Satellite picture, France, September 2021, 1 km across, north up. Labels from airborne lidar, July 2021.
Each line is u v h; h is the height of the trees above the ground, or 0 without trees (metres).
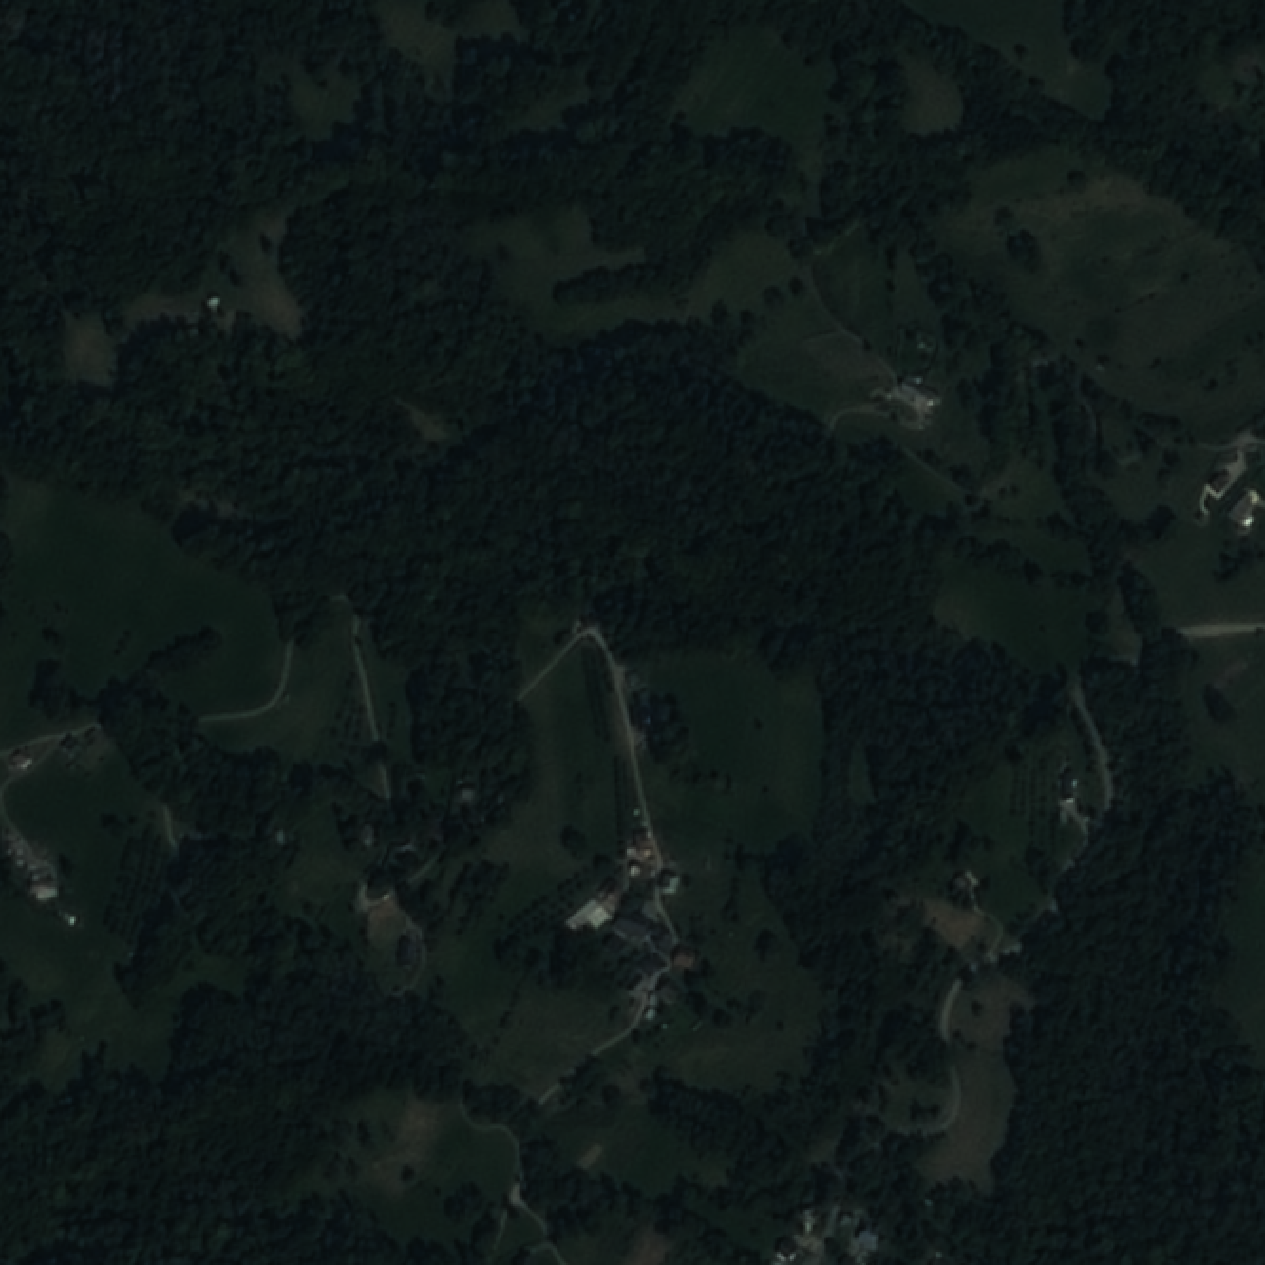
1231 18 21
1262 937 0
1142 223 0
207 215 29
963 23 0
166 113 28
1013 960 9
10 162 27
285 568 28
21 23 24
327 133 0
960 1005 0
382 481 34
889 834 20
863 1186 26
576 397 40
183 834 0
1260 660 0
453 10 14
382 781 0
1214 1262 18
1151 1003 19
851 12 19
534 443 23
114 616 0
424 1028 23
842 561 29
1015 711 20
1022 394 17
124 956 0
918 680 29
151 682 13
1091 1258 23
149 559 0
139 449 31
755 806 0
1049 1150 21
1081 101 0
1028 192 0
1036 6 0
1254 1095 23
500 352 28
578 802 0
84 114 26
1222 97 0
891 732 25
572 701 0
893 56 9
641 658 23
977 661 28
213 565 20
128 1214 32
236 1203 24
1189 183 24
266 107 28
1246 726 0
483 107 20
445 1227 0
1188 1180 29
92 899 0
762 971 0
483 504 24
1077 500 26
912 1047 19
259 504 24
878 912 17
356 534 29
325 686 0
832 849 13
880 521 24
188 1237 35
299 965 30
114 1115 25
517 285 0
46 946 0
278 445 27
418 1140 0
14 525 0
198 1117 26
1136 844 19
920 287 0
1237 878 18
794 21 23
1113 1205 24
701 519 22
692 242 7
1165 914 20
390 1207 0
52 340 24
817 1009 0
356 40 29
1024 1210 25
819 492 27
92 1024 0
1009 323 18
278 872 14
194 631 0
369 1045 20
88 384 0
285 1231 25
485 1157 0
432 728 27
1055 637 0
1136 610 23
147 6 30
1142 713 19
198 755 20
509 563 35
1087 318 0
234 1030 19
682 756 16
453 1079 20
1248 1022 0
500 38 0
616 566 32
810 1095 11
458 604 16
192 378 33
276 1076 24
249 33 27
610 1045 0
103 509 0
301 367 21
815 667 23
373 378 28
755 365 0
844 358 0
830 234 20
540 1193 20
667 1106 29
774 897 17
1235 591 0
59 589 0
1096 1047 14
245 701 0
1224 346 0
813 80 0
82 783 0
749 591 26
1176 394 0
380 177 30
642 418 20
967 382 0
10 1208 26
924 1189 25
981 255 0
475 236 0
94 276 32
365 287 26
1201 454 0
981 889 6
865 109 26
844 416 0
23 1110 27
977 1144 0
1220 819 20
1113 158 16
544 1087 0
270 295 0
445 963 0
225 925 30
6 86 23
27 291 25
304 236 18
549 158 28
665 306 0
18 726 0
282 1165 28
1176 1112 19
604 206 20
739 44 0
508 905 0
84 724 11
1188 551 0
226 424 30
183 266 15
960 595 0
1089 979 17
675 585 32
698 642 27
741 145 17
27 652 0
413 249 28
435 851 13
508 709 24
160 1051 0
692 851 0
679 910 0
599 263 0
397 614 26
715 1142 25
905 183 26
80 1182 28
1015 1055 12
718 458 23
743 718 0
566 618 24
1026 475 0
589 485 22
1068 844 0
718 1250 20
